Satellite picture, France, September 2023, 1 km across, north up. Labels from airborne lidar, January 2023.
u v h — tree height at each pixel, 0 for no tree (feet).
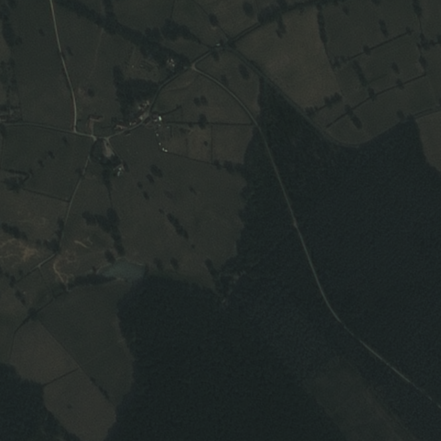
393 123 0
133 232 0
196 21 0
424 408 67
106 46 0
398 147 58
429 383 69
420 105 0
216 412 70
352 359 72
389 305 67
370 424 0
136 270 0
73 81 0
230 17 0
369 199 59
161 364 68
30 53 0
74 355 0
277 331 63
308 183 59
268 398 69
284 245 60
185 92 0
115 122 28
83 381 0
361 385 0
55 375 0
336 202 53
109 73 0
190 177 0
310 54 0
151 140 0
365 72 0
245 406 69
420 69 0
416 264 60
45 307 0
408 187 57
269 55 0
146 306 73
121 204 0
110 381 0
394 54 0
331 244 59
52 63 0
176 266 60
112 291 0
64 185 0
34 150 0
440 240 36
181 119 0
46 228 0
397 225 57
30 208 0
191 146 0
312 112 43
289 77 0
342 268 33
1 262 0
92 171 0
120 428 76
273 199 61
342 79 0
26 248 0
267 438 69
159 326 70
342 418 0
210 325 54
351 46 0
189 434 73
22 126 0
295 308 73
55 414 0
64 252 0
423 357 70
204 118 33
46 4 0
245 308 64
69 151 0
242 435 74
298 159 63
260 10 0
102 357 0
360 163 51
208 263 40
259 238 56
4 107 30
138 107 0
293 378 70
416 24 0
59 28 0
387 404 72
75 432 0
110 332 0
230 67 0
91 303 0
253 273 59
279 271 55
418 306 56
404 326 63
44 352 0
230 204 0
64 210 0
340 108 0
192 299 63
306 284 57
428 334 65
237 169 62
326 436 66
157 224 0
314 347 77
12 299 0
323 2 38
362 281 66
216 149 0
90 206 0
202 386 71
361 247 58
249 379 71
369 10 0
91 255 0
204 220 0
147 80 0
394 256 61
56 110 0
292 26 0
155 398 82
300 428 55
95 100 0
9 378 52
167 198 0
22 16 0
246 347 70
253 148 59
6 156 0
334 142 0
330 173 58
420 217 54
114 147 0
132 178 0
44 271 0
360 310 57
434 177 64
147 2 0
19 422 105
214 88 0
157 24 0
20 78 0
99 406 0
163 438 76
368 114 0
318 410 78
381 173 57
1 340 0
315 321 61
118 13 0
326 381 0
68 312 0
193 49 0
